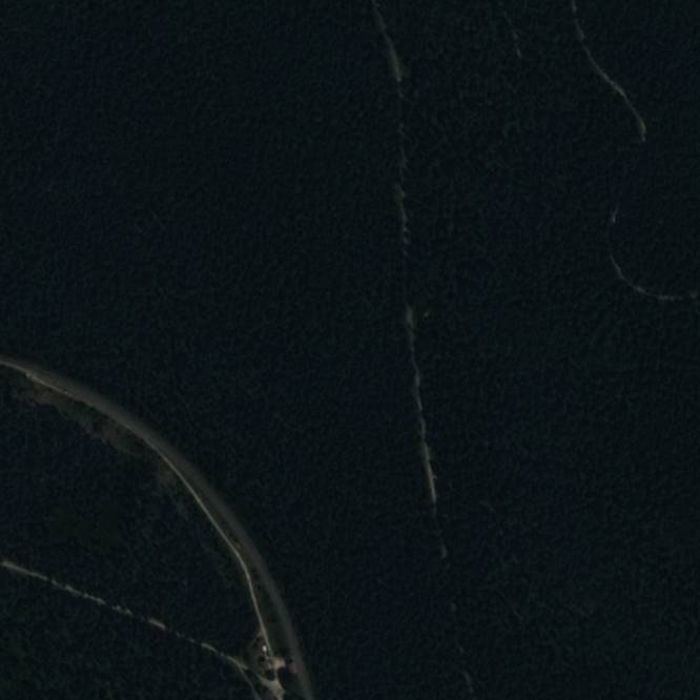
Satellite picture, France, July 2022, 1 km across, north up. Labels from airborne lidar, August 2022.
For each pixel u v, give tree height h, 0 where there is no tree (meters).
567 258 16
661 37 27
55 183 29
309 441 24
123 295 33
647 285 19
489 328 32
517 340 27
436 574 26
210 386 35
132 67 28
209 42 19
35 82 26
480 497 18
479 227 32
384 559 27
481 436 9
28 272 28
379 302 23
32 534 34
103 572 31
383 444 28
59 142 24
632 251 23
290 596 21
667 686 39
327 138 27
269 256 32
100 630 33
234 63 23
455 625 22
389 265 27
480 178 36
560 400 33
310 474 23
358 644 27
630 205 27
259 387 24
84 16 8
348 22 23
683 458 23
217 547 17
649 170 22
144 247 33
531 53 16
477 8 21
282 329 25
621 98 22
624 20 23
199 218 24
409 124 23
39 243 31
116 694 8
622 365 21
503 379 34
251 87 21
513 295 16
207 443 34
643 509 14
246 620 25
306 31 30
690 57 25
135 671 15
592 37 11
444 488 25
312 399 30
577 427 33
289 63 28
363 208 27
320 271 30
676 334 20
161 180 18
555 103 10
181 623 28
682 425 24
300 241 21
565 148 13
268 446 30
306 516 30
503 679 22
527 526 15
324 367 30
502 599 30
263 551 15
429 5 36
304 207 24
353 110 24
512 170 6
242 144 13
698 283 19
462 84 21
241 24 24
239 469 8
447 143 32
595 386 35
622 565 6
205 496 0
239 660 0
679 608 12
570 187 20
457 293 36
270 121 26
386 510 24
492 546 19
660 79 22
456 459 17
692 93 23
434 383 16
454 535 27
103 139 27
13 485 31
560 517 32
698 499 20
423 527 20
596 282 17
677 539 21
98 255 28
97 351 32
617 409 16
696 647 25
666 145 28
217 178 21
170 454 0
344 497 24
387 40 19
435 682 16
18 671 14
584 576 32
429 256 40
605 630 34
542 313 29
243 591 12
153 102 30
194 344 6
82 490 28
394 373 31
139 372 30
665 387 22
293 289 30
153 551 31
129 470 7
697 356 21
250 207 23
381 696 35
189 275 28
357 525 33
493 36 10
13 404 31
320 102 27
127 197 26
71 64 26
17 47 27
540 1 18
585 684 23
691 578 23
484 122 27
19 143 17
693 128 27
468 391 25
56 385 0
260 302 26
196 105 19
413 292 31
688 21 29
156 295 29
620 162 25
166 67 23
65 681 10
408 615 27
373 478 23
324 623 34
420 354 18
